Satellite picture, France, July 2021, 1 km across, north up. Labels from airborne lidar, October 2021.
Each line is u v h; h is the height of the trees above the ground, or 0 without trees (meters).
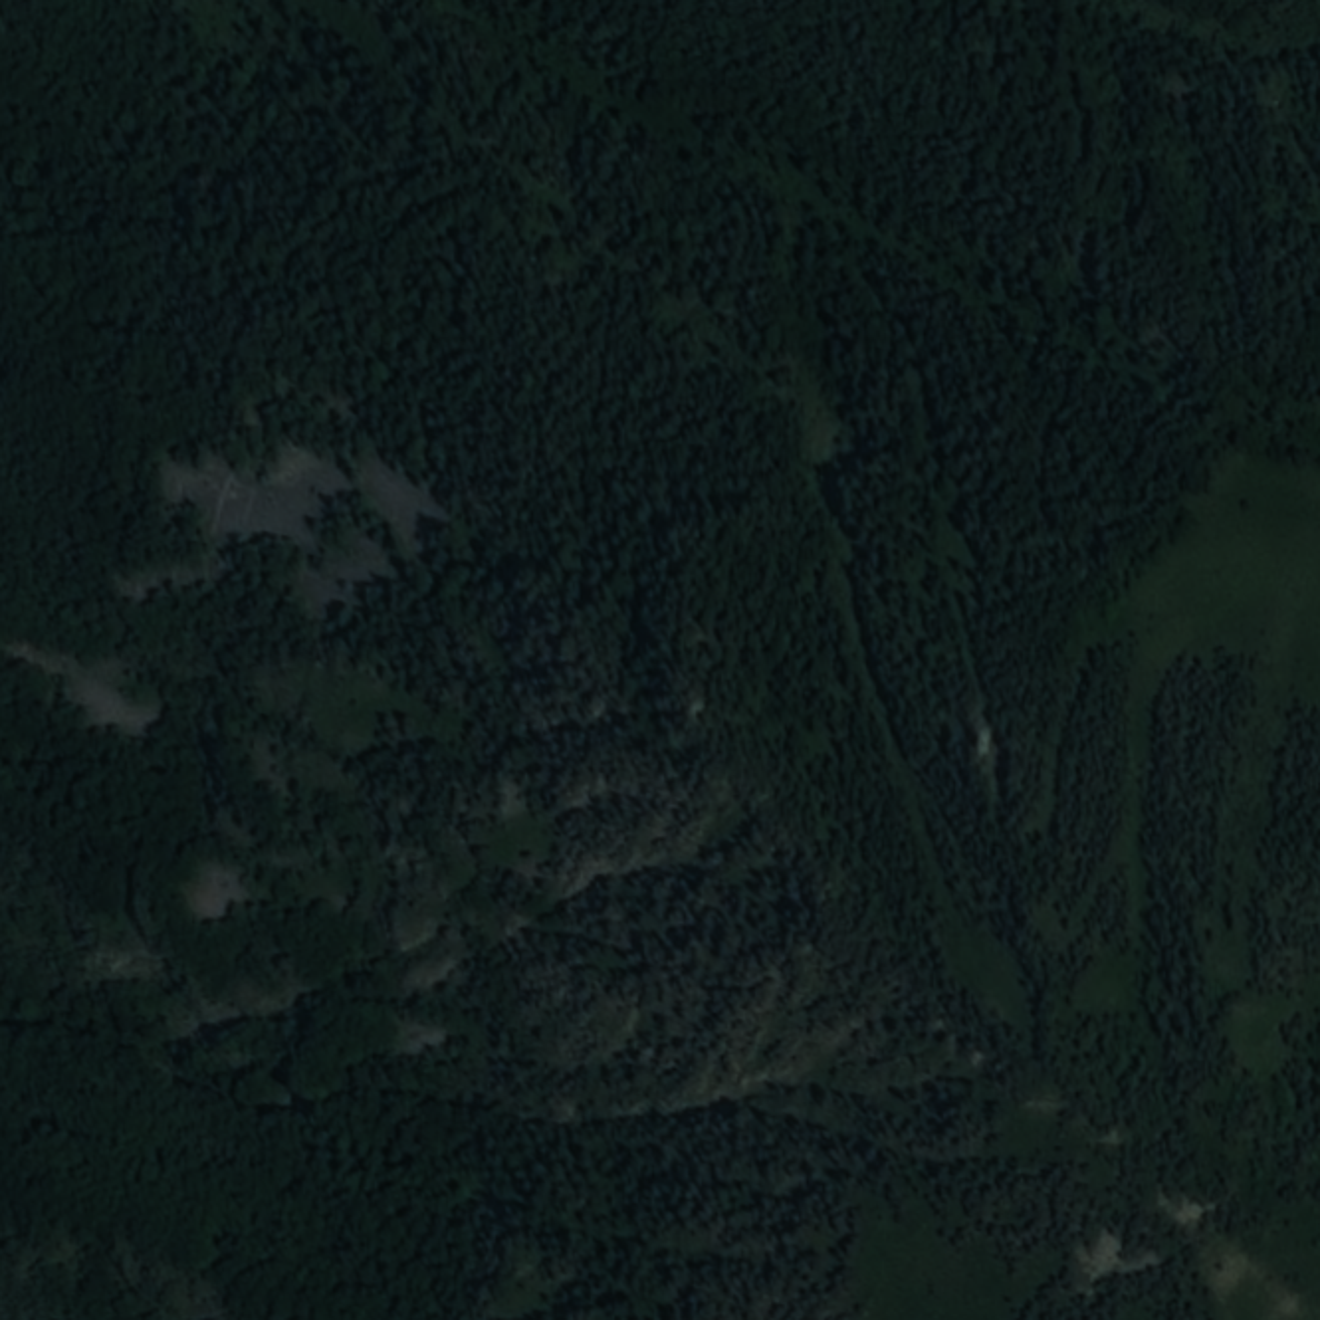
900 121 22
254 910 14
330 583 0
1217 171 21
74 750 20
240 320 14
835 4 19
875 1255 0
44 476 17
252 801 17
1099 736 12
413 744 10
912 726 18
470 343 12
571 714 18
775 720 7
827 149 26
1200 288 11
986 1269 0
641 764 11
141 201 32
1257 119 25
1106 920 13
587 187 20
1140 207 15
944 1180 17
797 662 15
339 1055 17
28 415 20
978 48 36
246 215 17
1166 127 11
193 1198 28
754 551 20
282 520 0
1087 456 31
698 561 20
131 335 19
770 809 13
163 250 19
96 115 28
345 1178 23
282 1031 8
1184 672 8
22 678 22
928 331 21
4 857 11
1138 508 15
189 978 10
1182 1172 9
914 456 21
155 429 21
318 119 10
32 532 19
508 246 30
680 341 20
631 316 21
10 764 24
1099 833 7
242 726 11
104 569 8
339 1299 32
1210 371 27
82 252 30
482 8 7
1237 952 0
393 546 15
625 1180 11
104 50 23
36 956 10
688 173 22
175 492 0
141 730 0
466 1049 15
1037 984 12
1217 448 8
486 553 23
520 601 10
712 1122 8
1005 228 27
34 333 30
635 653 18
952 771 7
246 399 10
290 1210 27
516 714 9
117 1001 22
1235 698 13
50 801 28
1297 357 29
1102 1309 13
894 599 19
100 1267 13
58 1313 11
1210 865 11
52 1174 23
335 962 17
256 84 9
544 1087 13
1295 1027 12
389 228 22
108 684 0
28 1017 10
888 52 17
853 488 17
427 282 22
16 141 28
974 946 0
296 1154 15
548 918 10
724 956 17
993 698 12
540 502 15
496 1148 14
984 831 14
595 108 25
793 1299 16
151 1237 19
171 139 29
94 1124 29
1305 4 9
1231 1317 0
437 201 12
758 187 10
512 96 18
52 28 20
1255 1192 9
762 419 14
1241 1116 9
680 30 30
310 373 24
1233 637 0
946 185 31
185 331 11
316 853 8
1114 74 8
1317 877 12
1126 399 21
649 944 13
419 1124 22
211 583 8
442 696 10
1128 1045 12
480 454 22
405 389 8
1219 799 10
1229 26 14
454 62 23
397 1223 24
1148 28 9
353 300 27
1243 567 0
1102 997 0
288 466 0
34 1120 9
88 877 24
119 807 31
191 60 23
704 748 11
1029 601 17
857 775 14
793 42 17
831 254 23
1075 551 16
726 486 21
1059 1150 7
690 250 21
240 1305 20
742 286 15
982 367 16
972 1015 12
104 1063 13
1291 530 0
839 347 17
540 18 7
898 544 13
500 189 18
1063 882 13
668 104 21
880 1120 15
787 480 16
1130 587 9
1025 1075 9
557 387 13
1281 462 10
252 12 17
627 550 21
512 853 0
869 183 22
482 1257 11
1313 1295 0
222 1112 18
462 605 19
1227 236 17
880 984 8
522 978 10
